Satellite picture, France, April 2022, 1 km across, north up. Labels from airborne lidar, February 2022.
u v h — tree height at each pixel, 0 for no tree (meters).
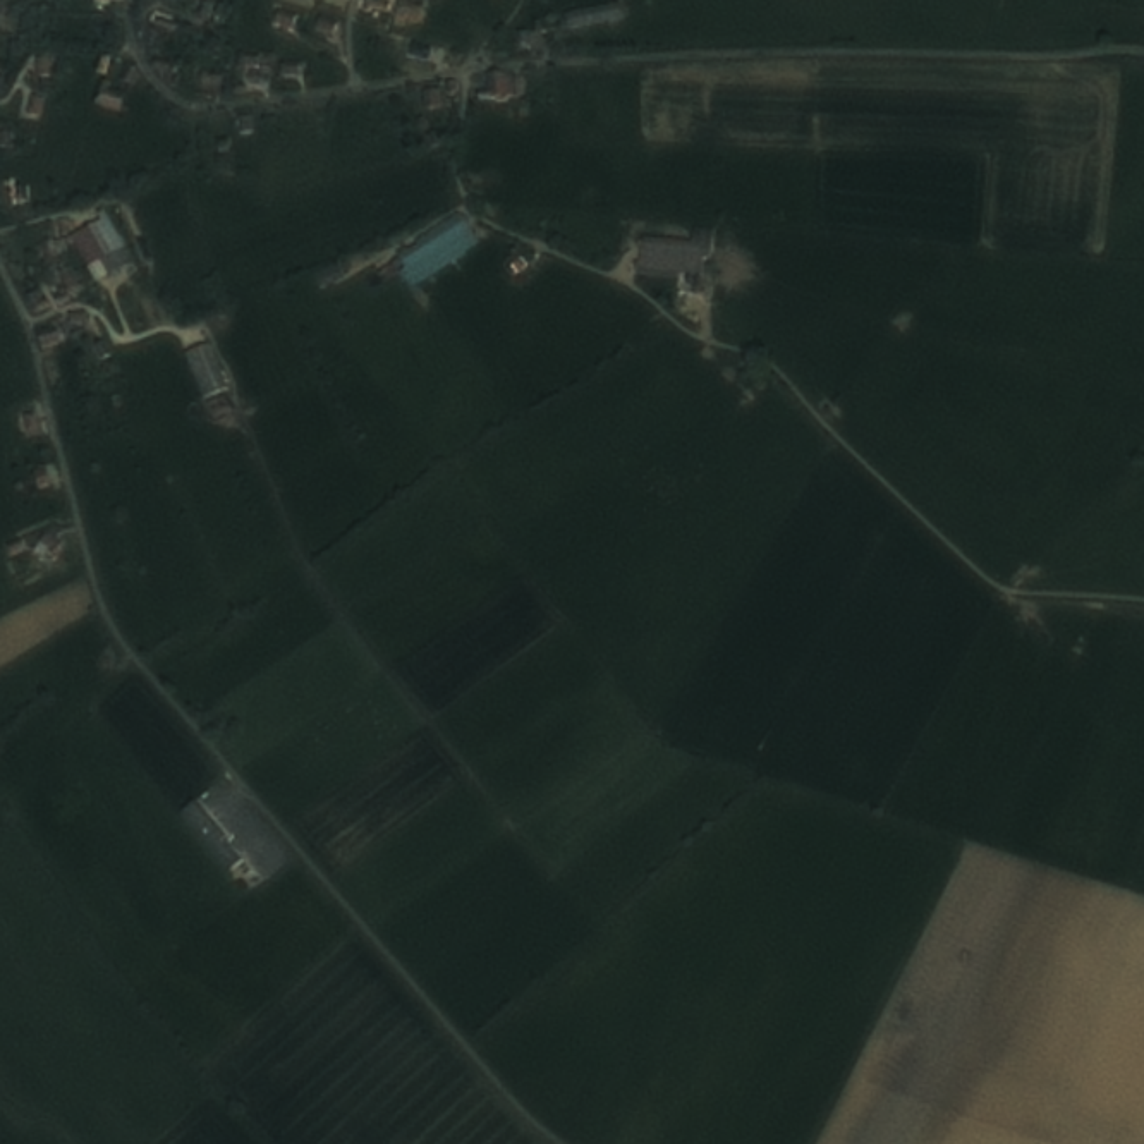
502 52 0
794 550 0
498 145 0
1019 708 0
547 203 0
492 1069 0
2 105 0
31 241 0
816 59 0
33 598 0
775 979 0
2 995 0
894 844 0
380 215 0
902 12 0
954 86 0
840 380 0
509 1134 0
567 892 0
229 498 0
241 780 0
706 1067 0
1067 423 0
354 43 0
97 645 0
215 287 8
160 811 0
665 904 0
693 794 0
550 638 0
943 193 0
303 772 0
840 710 0
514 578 0
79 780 0
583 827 0
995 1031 0
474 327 0
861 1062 0
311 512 0
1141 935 0
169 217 0
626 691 0
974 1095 0
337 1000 0
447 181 7
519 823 0
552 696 0
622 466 0
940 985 0
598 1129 0
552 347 0
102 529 0
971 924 0
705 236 0
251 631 0
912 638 0
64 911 0
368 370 0
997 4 0
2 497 0
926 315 0
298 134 0
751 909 0
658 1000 0
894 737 0
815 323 0
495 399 0
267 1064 0
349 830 0
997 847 0
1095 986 0
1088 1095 0
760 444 0
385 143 0
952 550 0
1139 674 0
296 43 0
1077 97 0
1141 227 0
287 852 0
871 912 0
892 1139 0
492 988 0
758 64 0
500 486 0
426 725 0
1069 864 0
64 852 0
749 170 0
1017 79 0
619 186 0
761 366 20
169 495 0
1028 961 0
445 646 0
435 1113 0
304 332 7
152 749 0
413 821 0
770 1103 0
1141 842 0
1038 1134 0
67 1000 0
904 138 0
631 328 0
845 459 0
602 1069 0
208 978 0
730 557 0
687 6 0
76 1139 0
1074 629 0
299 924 0
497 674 0
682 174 0
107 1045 0
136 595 0
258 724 0
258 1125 0
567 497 0
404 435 0
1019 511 0
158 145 0
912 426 0
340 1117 0
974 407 0
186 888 0
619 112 0
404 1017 0
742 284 0
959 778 0
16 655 0
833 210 0
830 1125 0
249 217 0
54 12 7
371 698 0
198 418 0
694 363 0
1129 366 0
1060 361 0
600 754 0
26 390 0
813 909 0
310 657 0
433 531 0
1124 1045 0
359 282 0
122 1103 0
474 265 0
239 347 0
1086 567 0
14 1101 0
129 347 0
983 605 0
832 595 0
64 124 0
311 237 0
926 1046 0
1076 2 0
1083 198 0
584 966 0
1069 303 0
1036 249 0
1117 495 0
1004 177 0
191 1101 0
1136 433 0
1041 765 0
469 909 0
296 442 0
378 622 0
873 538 0
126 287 0
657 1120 0
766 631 0
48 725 0
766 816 0
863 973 0
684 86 0
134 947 0
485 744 0
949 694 0
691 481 0
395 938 0
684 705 0
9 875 0
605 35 0
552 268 0
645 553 0
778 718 0
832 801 0
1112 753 0
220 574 0
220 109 6
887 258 0
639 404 0
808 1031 0
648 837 0
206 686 0
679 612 0
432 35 0
